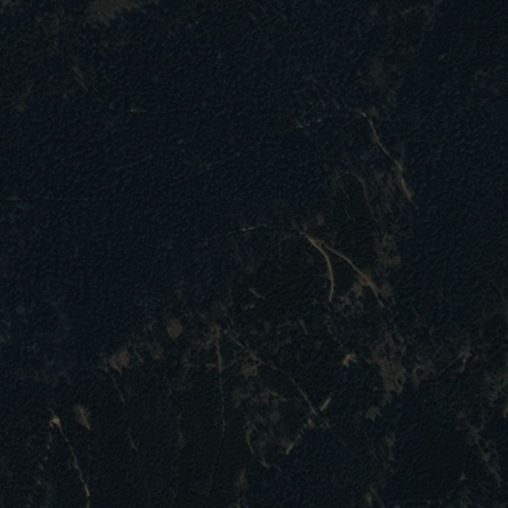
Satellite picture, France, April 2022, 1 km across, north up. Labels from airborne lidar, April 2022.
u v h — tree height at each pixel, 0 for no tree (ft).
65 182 110
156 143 117
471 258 91
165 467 83
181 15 116
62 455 56
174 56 133
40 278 21
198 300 112
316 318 65
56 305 81
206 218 121
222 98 122
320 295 24
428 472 57
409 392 41
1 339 74
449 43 43
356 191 24
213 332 20
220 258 91
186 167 128
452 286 87
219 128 115
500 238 84
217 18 116
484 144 99
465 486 37
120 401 65
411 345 31
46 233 71
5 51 122
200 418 35
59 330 100
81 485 76
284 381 20
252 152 26
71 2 49
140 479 75
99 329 84
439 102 117
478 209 84
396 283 117
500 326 21
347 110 118
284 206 109
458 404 36
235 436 21
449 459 31
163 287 90
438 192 111
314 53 120
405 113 107
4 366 89
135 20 130
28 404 67
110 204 123
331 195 124
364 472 93
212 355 25
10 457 66
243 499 61
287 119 116
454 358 106
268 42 125
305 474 92
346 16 120
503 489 25
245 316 108
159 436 78
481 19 79
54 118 136
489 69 35
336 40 109
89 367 81
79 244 103
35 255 115
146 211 102
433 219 109
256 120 103
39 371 74
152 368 83
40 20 123
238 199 102
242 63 121
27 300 63
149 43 125
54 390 74
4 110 129
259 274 19
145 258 87
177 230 97
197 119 103
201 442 31
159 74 115
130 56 34
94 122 106
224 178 96
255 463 21
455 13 34
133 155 99
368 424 82
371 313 112
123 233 66
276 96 38
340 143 95
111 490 83
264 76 134
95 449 57
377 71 58
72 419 46
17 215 91
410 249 127
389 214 20
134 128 83
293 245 23
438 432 39
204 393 37
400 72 49
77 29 97
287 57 111
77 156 117
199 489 69
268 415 108
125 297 86
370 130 52
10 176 115
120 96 115
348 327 115
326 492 79
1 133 131
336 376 58
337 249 26
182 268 89
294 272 43
